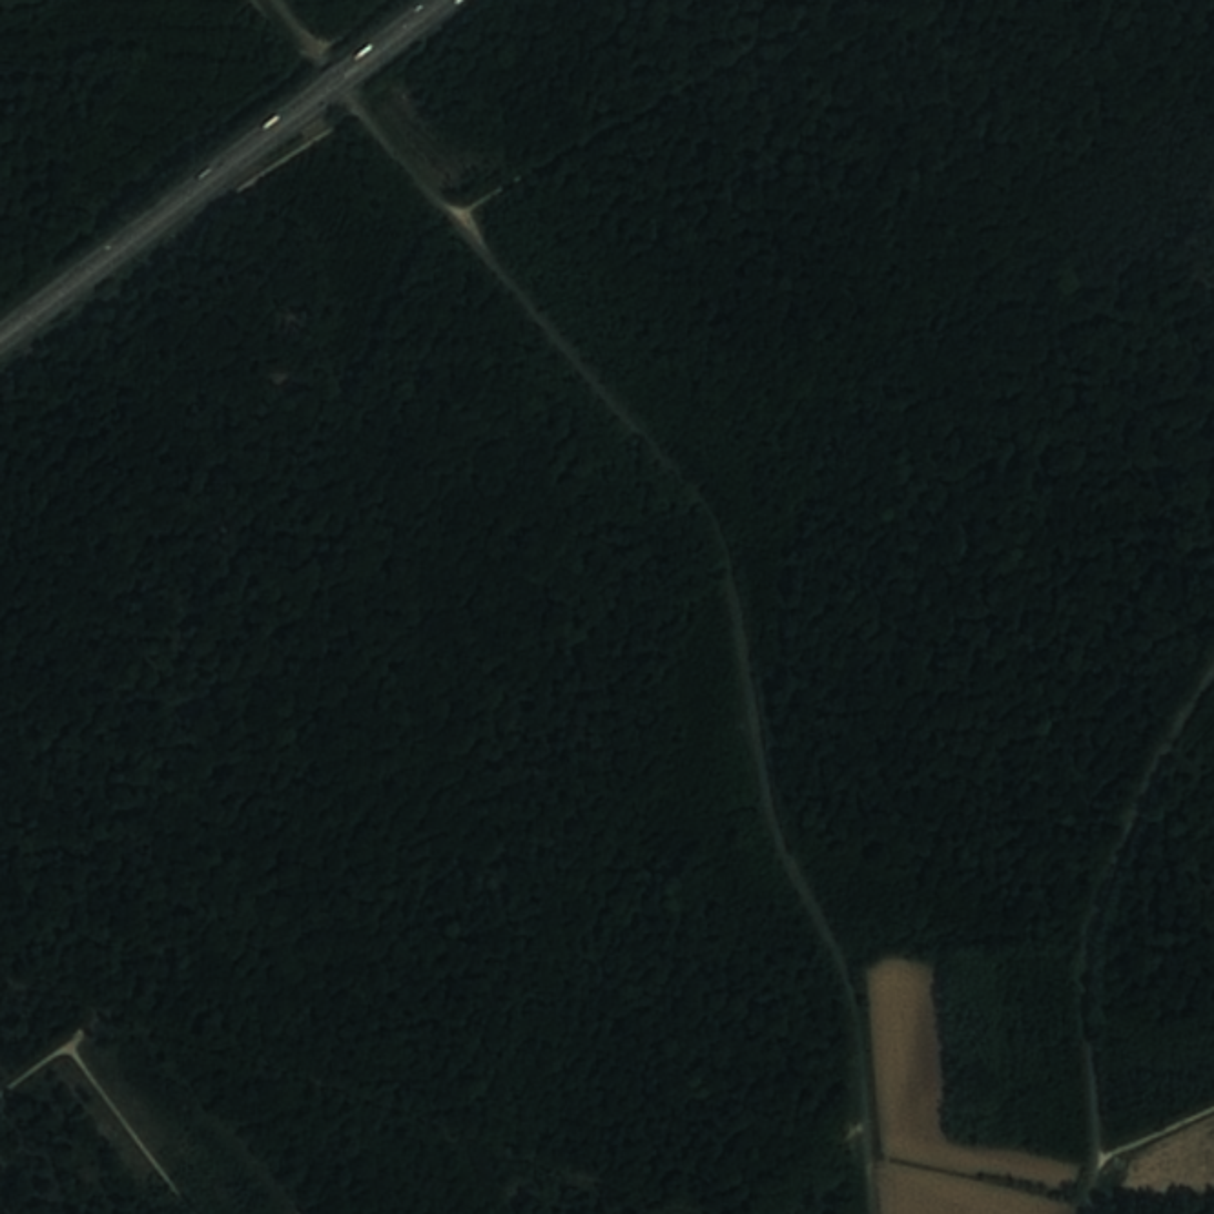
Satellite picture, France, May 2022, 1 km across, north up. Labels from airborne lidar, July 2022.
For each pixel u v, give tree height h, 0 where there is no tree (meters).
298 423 19
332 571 26
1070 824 18
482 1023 23
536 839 24
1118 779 27
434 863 19
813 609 27
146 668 26
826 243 23
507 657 27
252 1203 9
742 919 13
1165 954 14
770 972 23
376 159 20
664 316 22
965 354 25
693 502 14
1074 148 27
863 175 23
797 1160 25
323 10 19
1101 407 29
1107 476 28
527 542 26
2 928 28
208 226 19
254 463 27
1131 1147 0
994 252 23
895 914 12
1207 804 13
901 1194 0
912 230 26
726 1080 26
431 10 0
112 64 18
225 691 28
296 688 25
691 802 8
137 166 6
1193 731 6
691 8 17
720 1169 28
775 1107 30
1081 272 19
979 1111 24
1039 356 27
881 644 25
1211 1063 16
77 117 24
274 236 20
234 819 24
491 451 27
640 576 20
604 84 25
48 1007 16
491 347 23
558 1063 21
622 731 24
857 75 24
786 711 17
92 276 0
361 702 27
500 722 26
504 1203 10
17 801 28
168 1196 10
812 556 20
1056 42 22
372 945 25
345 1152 21
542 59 23
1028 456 25
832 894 11
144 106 8
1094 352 28
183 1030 12
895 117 26
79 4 10
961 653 27
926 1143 0
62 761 27
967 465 24
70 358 22
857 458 24
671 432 13
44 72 9
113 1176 24
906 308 23
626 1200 9
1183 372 25
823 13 25
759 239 24
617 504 20
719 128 25
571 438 21
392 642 24
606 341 13
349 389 20
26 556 23
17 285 22
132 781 24
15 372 7
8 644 21
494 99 21
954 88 26
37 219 24
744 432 20
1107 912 22
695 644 10
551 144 25
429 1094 22
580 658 26
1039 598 26
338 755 28
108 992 24
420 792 23
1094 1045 21
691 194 26
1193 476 28
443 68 18
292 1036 25
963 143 25
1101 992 19
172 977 25
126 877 24
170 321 26
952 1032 23
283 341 21
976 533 30
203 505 24
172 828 23
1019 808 29
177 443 27
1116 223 19
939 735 18
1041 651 22
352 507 21
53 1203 20
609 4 23
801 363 24
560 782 22
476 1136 12
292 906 27
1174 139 17
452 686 25
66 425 23
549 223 21
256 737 21
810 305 21
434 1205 18
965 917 9
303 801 28
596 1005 29
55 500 25
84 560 27
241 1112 16
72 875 28
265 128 0
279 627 9
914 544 25
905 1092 0
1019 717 24
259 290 20
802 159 22
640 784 23
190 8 8
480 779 24
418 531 25
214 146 14
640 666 26
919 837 27
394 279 8
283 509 24
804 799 22
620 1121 21
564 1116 18
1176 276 26
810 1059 29
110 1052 19
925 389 24
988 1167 0
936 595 25
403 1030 25
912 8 27
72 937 22
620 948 25
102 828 21
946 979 24
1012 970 18
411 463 21
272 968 25
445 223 14
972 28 24
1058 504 27
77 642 27
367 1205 24
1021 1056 18
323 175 8
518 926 22
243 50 6
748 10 26
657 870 8
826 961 20
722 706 7
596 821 22
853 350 23
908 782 25
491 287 16
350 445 25
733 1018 26
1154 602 28
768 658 6
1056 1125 18
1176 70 24
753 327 24
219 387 24
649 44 24
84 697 30
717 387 20
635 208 21
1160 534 28
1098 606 25
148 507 26
